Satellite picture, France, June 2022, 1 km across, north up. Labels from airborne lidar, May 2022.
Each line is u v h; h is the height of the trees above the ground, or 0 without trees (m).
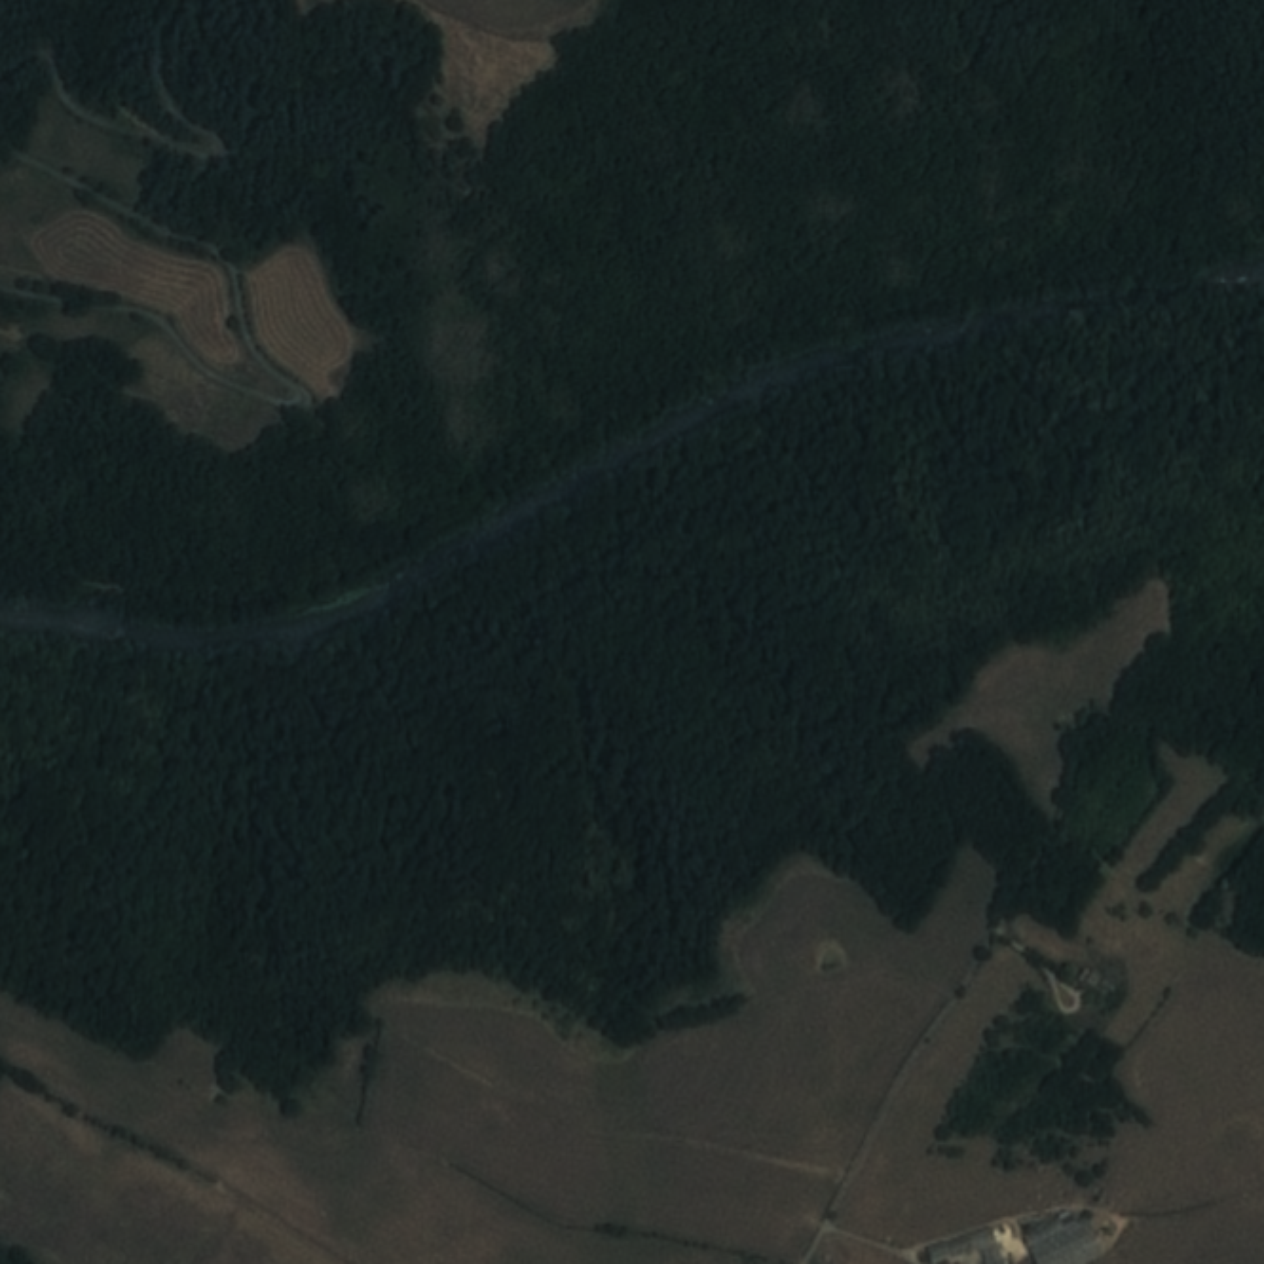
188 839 24
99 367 19
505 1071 0
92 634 0
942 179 15
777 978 0
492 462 15
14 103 17
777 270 13
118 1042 11
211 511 8
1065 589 15
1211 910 18
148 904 18
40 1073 0
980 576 11
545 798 27
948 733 0
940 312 28
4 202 0
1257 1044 0
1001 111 10
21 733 20
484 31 0
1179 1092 0
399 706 20
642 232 26
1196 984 0
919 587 17
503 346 13
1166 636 12
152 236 11
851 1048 0
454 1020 0
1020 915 14
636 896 30
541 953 16
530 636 12
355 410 10
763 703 23
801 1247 0
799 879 0
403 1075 0
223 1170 0
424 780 25
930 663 17
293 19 14
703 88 16
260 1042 20
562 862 14
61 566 20
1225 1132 0
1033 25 32
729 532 23
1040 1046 8
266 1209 0
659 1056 0
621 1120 0
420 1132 0
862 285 15
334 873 22
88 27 17
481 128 0
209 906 14
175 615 16
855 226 15
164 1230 0
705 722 18
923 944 0
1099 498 16
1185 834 15
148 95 19
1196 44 16
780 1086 0
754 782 13
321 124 32
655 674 23
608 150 14
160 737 18
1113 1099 11
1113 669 0
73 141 0
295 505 17
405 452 15
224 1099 8
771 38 18
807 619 21
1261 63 16
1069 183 10
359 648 14
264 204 26
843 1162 0
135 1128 0
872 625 12
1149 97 30
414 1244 0
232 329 11
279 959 26
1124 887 0
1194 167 22
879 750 20
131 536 18
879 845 19
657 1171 0
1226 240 17
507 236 15
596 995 13
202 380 0
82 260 0
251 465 14
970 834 18
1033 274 19
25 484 20
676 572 19
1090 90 16
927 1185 0
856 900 0
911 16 24
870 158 17
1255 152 12
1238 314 19
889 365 23
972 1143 0
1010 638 13
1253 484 14
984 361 12
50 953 21
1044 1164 8
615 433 25
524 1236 0
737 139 12
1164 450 17
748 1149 0
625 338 12
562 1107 0
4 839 14
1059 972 9
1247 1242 0
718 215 15
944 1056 0
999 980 0
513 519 0
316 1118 0
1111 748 9
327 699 27
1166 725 17
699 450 24
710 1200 0
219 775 23
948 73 11
